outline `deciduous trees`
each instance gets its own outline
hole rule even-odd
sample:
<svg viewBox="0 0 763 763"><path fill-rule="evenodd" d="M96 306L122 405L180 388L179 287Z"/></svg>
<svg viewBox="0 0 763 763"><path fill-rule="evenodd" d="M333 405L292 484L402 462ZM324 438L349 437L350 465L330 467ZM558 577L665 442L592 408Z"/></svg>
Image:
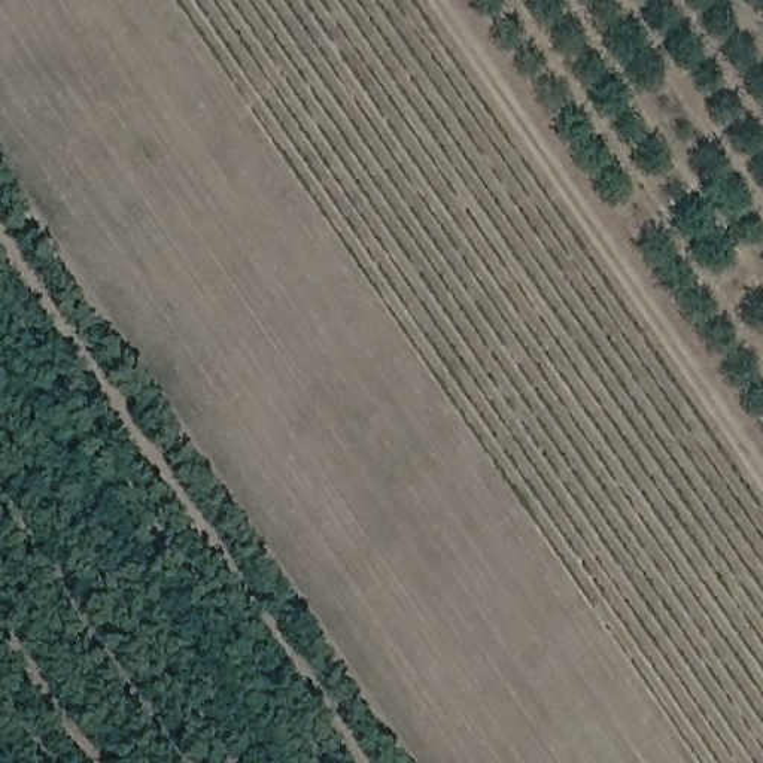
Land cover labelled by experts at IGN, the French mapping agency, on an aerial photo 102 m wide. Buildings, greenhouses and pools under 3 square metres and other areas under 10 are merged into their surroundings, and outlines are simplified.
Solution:
<svg viewBox="0 0 763 763"><path fill-rule="evenodd" d="M507 12L504 0L471 0L474 12L489 15L492 42L504 51L513 51L516 72L534 83L536 101L542 104L542 110L554 116L554 134L566 140L575 167L590 173L593 191L605 203L614 206L629 197L629 176L608 152L602 134L593 131L584 110L572 101L566 83L548 72L542 51L525 36L519 15Z"/></svg>
<svg viewBox="0 0 763 763"><path fill-rule="evenodd" d="M748 167L763 185L763 131L757 119L742 107L736 92L724 86L718 66L703 54L703 45L694 39L688 21L677 12L671 0L581 0L593 12L593 21L605 45L626 66L614 75L587 45L578 18L566 12L563 0L525 0L536 21L551 33L551 42L563 54L563 63L581 77L593 104L614 122L623 143L629 143L629 152L644 173L659 173L662 167L668 167L671 152L662 143L662 137L650 131L644 119L632 110L629 98L641 89L656 86L665 77L665 63L677 60L677 66L683 66L694 77L694 86L703 92L709 116L721 128L727 128L736 149L748 158Z"/></svg>
<svg viewBox="0 0 763 763"><path fill-rule="evenodd" d="M754 286L739 304L742 319L751 328L763 328L763 289Z"/></svg>
<svg viewBox="0 0 763 763"><path fill-rule="evenodd" d="M57 247L48 244L48 232L27 218L30 209L36 209L36 203L30 194L18 191L18 176L0 152L0 221L6 232L18 241L24 259L45 280L54 304L75 325L75 331L86 337L89 352L104 367L110 382L122 390L128 411L143 429L143 435L161 447L176 480L185 486L200 513L221 534L221 542L209 545L206 534L194 531L191 519L161 480L158 468L137 450L137 444L122 429L95 376L80 364L75 343L54 328L51 316L42 310L39 295L21 280L21 274L9 265L6 250L0 247L0 763L89 763L89 757L60 727L69 718L75 718L86 739L98 745L101 763L355 763L340 733L331 727L331 718L337 715L352 727L355 739L373 763L417 763L396 745L396 733L370 712L370 703L361 697L355 680L346 674L346 665L334 659L331 647L325 644L322 629L310 614L307 602L295 596L277 563L268 560L265 539L250 528L247 513L235 507L224 483L215 480L209 459L203 459L188 444L188 435L179 432L170 402L164 399L164 390L140 364L140 349L122 340L119 331L98 319L95 310L83 301L77 280L72 277L63 259L57 259ZM301 677L283 656L283 650L271 641L262 623L265 611L277 617L280 632L319 671L316 677ZM42 691L36 691L36 686L30 683L24 665L33 659L39 662L42 677L48 680L54 709L42 706Z"/></svg>
<svg viewBox="0 0 763 763"><path fill-rule="evenodd" d="M721 39L721 48L742 75L748 92L763 104L763 57L757 54L754 36L736 24L730 0L688 0L700 12L709 33Z"/></svg>
<svg viewBox="0 0 763 763"><path fill-rule="evenodd" d="M715 227L715 212L745 206L751 194L742 176L724 158L724 149L712 137L703 137L688 119L677 119L674 128L680 140L694 146L688 152L688 164L697 173L700 185L697 191L688 191L680 203L674 203L668 221L644 224L635 244L647 268L653 271L656 283L677 298L683 319L697 331L706 349L721 358L721 373L727 384L739 390L739 405L748 414L763 417L763 376L757 370L757 355L736 340L730 319L718 310L712 292L697 283L691 268L680 259L671 238L683 232L694 256L712 271L721 271L733 262L736 244L757 244L763 250L763 221L757 212L751 212L733 218L727 227Z"/></svg>

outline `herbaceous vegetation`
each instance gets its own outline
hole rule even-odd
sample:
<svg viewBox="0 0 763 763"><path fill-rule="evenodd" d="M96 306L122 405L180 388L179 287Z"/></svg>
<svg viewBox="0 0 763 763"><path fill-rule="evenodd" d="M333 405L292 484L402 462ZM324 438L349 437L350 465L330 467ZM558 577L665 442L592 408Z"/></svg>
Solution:
<svg viewBox="0 0 763 763"><path fill-rule="evenodd" d="M277 617L265 611L262 623L271 641L283 650L283 656L301 677L316 677L319 671L280 632Z"/></svg>
<svg viewBox="0 0 763 763"><path fill-rule="evenodd" d="M536 21L525 0L504 0L507 12L519 15L525 36L542 51L548 72L566 83L572 101L584 110L593 131L602 134L608 152L629 176L629 197L614 206L605 203L599 209L605 227L614 232L617 241L635 244L644 224L668 221L674 203L680 203L688 191L697 191L700 185L697 173L688 164L688 152L694 146L680 140L674 128L677 119L688 119L703 137L712 137L724 149L724 158L742 176L751 194L745 206L715 212L715 227L727 227L733 218L751 212L757 212L763 221L763 185L748 167L748 158L736 149L727 128L721 128L709 116L703 92L694 86L694 77L683 66L677 66L677 60L665 63L665 77L656 86L641 89L629 98L632 110L644 119L650 131L662 137L662 143L671 152L668 167L662 167L659 173L644 173L629 152L629 143L623 143L614 122L593 104L581 77L563 63L563 54L551 42L551 33Z"/></svg>
<svg viewBox="0 0 763 763"><path fill-rule="evenodd" d="M355 763L373 763L355 739L352 727L337 715L331 718L331 727L340 733Z"/></svg>
<svg viewBox="0 0 763 763"><path fill-rule="evenodd" d="M712 271L694 256L683 232L671 238L680 259L691 268L697 283L712 292L718 310L730 319L736 340L757 355L757 370L763 376L763 328L751 328L742 319L739 304L754 286L763 289L763 250L757 244L736 244L733 262L721 271Z"/></svg>
<svg viewBox="0 0 763 763"><path fill-rule="evenodd" d="M30 683L36 686L36 691L42 691L42 706L54 709L48 680L42 677L39 662L33 659L24 665Z"/></svg>
<svg viewBox="0 0 763 763"><path fill-rule="evenodd" d="M42 310L51 316L54 328L75 343L80 364L95 376L122 429L137 444L137 450L158 468L161 480L191 519L194 531L206 534L209 545L221 542L221 534L200 513L185 486L176 480L161 447L143 435L143 429L128 411L122 390L110 382L104 367L89 352L86 337L75 331L75 325L54 304L45 280L24 259L18 241L6 232L0 221L0 247L6 250L9 265L21 274L21 280L39 295Z"/></svg>
<svg viewBox="0 0 763 763"><path fill-rule="evenodd" d="M754 36L757 54L763 57L763 0L730 0L736 24Z"/></svg>
<svg viewBox="0 0 763 763"><path fill-rule="evenodd" d="M626 66L605 45L593 21L593 12L581 0L563 0L566 12L578 18L587 45L614 75Z"/></svg>
<svg viewBox="0 0 763 763"><path fill-rule="evenodd" d="M60 727L89 757L89 763L101 763L98 745L86 739L75 718L69 718Z"/></svg>
<svg viewBox="0 0 763 763"><path fill-rule="evenodd" d="M724 86L736 92L742 107L757 119L763 131L763 104L748 92L742 75L721 48L721 39L709 33L700 12L688 0L671 0L677 12L688 21L694 39L703 45L703 54L718 66Z"/></svg>

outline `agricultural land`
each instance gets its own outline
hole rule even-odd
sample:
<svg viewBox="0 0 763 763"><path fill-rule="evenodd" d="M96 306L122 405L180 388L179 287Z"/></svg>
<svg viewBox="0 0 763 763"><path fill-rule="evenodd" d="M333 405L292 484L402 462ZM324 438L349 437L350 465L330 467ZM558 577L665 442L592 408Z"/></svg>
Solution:
<svg viewBox="0 0 763 763"><path fill-rule="evenodd" d="M48 244L57 247L57 259L63 259L72 277L77 280L83 301L95 310L98 319L119 331L122 340L140 349L140 364L164 390L164 399L170 402L179 432L188 435L188 444L203 459L209 459L215 480L224 483L235 507L247 513L250 528L265 539L268 560L277 563L295 596L307 602L310 614L322 629L325 644L331 647L334 659L346 665L346 674L355 680L361 697L370 703L370 712L396 733L396 745L417 763L686 763L686 745L677 739L668 715L662 715L662 709L653 709L653 700L647 697L641 677L635 674L635 665L614 659L611 650L602 647L605 632L599 632L593 611L587 608L590 602L572 584L560 560L551 554L548 542L531 534L516 519L513 492L501 483L492 459L480 450L474 435L441 411L441 402L447 399L438 396L435 379L426 373L423 361L399 334L399 325L390 319L387 307L379 304L379 295L358 274L346 250L340 247L337 235L319 232L307 206L295 197L292 185L286 182L286 164L277 164L277 152L268 149L256 125L244 116L244 95L212 60L200 36L191 30L191 21L185 21L182 9L173 0L0 0L0 152L18 176L18 191L30 194L36 203L36 209L30 209L27 218L48 232Z"/></svg>

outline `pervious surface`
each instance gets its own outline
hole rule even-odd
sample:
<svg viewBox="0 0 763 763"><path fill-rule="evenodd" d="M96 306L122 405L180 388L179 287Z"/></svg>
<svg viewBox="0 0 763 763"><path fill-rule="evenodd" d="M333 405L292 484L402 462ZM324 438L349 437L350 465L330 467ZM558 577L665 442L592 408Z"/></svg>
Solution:
<svg viewBox="0 0 763 763"><path fill-rule="evenodd" d="M727 384L721 373L721 358L706 349L697 331L683 319L677 298L656 283L653 271L647 268L635 244L617 241L614 232L605 227L599 209L605 203L593 191L590 173L575 167L566 140L554 134L554 116L542 110L542 104L536 101L534 83L516 72L513 51L504 51L492 42L489 15L474 12L471 0L423 0L432 18L456 45L459 57L465 60L489 101L495 104L495 110L501 113L501 119L510 125L525 155L551 185L554 197L566 206L593 253L602 259L614 283L623 289L629 307L650 328L653 340L662 346L665 358L686 382L703 414L715 423L721 441L730 447L739 468L763 498L763 417L748 414L739 405L739 390Z"/></svg>

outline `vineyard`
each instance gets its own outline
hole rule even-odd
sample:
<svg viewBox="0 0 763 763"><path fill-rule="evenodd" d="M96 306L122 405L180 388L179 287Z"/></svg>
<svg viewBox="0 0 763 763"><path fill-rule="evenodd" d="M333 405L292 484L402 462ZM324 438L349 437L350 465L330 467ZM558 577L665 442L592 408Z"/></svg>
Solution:
<svg viewBox="0 0 763 763"><path fill-rule="evenodd" d="M191 30L200 36L212 60L244 95L244 116L256 125L268 149L277 152L277 164L286 164L286 182L292 185L295 197L307 206L319 232L337 235L340 247L346 250L358 274L379 295L379 304L387 307L390 319L399 325L399 334L423 361L426 373L435 379L438 396L447 399L441 402L441 411L474 435L480 450L492 459L501 483L513 492L516 519L531 534L548 542L551 554L560 560L572 584L590 602L587 608L593 611L599 632L605 632L602 647L611 650L614 659L635 665L635 674L641 677L647 697L653 700L653 709L662 709L662 715L668 715L677 739L686 745L686 763L763 763L763 498L739 468L730 447L721 441L715 423L703 414L686 382L665 358L662 346L653 340L650 328L629 307L623 289L614 283L602 259L593 253L566 206L554 197L551 185L525 155L510 125L501 119L501 113L495 110L495 104L489 101L465 60L459 57L456 45L432 18L423 0L173 0L182 9L185 21L191 21Z"/></svg>

